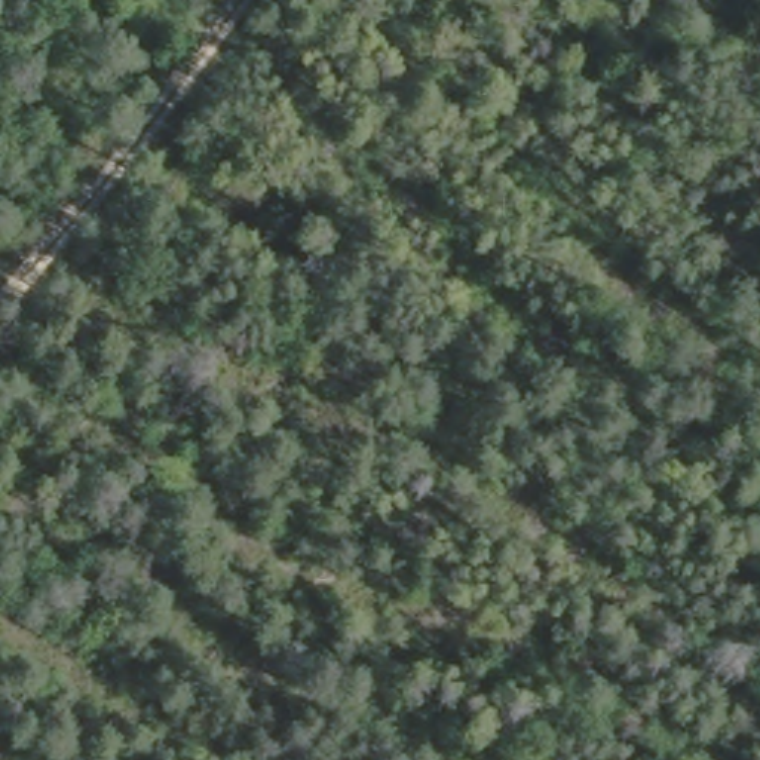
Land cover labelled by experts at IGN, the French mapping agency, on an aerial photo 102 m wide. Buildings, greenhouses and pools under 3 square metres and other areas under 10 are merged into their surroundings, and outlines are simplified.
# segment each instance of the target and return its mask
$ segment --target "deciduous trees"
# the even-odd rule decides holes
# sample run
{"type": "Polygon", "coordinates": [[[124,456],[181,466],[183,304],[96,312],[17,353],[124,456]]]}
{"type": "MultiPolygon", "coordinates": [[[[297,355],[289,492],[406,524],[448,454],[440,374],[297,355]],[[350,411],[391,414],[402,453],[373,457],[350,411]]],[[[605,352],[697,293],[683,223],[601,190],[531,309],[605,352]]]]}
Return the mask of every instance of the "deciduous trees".
{"type": "Polygon", "coordinates": [[[591,736],[585,742],[585,751],[591,760],[600,760],[629,757],[632,748],[615,742],[612,710],[591,707],[582,727],[591,736]]]}
{"type": "Polygon", "coordinates": [[[597,119],[597,83],[582,77],[585,50],[582,45],[573,45],[567,56],[558,62],[564,110],[552,119],[555,134],[567,134],[573,125],[591,125],[597,119]]]}
{"type": "Polygon", "coordinates": [[[157,65],[166,68],[178,62],[184,53],[196,56],[202,50],[199,33],[181,27],[172,30],[166,21],[154,21],[148,12],[163,6],[163,0],[116,0],[116,12],[125,18],[122,30],[128,36],[137,36],[145,53],[160,50],[157,65]]]}
{"type": "Polygon", "coordinates": [[[445,77],[451,77],[451,83],[460,83],[463,74],[457,68],[475,65],[475,53],[481,53],[484,45],[505,48],[502,24],[493,15],[493,9],[481,0],[433,0],[436,27],[457,21],[460,33],[475,36],[472,48],[454,45],[451,56],[433,59],[428,83],[436,86],[442,86],[445,77]]]}
{"type": "Polygon", "coordinates": [[[686,425],[671,419],[674,401],[692,401],[695,380],[715,383],[718,377],[707,365],[692,365],[683,374],[674,371],[674,353],[695,327],[680,312],[671,312],[665,321],[650,318],[647,303],[626,282],[620,282],[612,294],[603,294],[597,288],[594,294],[585,294],[582,300],[564,309],[564,315],[570,321],[570,335],[576,341],[591,341],[591,356],[603,359],[606,374],[623,389],[623,401],[635,419],[635,428],[623,439],[623,460],[635,463],[650,448],[656,428],[665,430],[665,436],[671,439],[686,425]]]}
{"type": "Polygon", "coordinates": [[[193,208],[181,205],[181,226],[175,229],[175,235],[163,243],[154,243],[151,255],[145,261],[137,261],[131,276],[119,282],[122,291],[128,291],[131,303],[148,306],[151,300],[166,300],[175,291],[175,264],[190,270],[190,264],[208,246],[211,229],[205,229],[193,208]]]}
{"type": "Polygon", "coordinates": [[[39,113],[30,125],[18,125],[15,110],[21,101],[18,89],[12,86],[12,68],[21,68],[24,62],[18,53],[6,53],[3,39],[9,33],[33,33],[36,18],[48,21],[53,33],[68,30],[74,18],[80,18],[80,9],[86,9],[92,0],[0,0],[0,187],[18,184],[45,157],[48,145],[62,140],[56,116],[50,110],[39,113]]]}
{"type": "Polygon", "coordinates": [[[523,748],[517,760],[552,760],[555,730],[546,721],[540,721],[534,724],[534,730],[540,739],[540,751],[531,754],[523,748]]]}
{"type": "Polygon", "coordinates": [[[6,445],[6,460],[15,460],[24,445],[39,457],[53,457],[59,454],[59,448],[53,442],[53,433],[36,422],[33,410],[24,401],[15,401],[12,410],[0,407],[0,442],[6,445]]]}
{"type": "Polygon", "coordinates": [[[205,330],[190,321],[175,338],[196,341],[202,350],[217,347],[229,356],[232,365],[246,365],[249,356],[261,359],[264,350],[273,350],[270,333],[276,330],[276,324],[288,324],[291,318],[288,276],[276,267],[270,279],[249,282],[246,306],[232,324],[226,324],[223,330],[205,330]]]}

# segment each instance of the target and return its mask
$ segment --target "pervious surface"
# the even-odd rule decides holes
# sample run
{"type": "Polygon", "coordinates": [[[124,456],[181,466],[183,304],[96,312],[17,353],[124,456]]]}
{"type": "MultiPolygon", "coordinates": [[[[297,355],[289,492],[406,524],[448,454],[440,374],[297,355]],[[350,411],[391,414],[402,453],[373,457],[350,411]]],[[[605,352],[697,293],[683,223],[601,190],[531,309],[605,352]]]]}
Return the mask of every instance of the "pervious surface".
{"type": "Polygon", "coordinates": [[[157,98],[145,107],[145,125],[140,137],[107,137],[101,143],[104,154],[110,157],[104,169],[80,169],[74,175],[74,190],[62,196],[65,211],[53,211],[50,220],[42,217],[45,232],[39,240],[12,246],[24,264],[9,276],[9,288],[27,294],[50,267],[50,258],[62,255],[68,238],[83,238],[83,220],[89,214],[98,214],[116,178],[140,181],[137,169],[154,151],[148,140],[163,128],[169,113],[175,110],[178,92],[187,92],[199,80],[202,68],[211,65],[217,48],[232,33],[232,21],[217,15],[202,21],[199,33],[202,50],[196,56],[187,74],[175,74],[157,86],[157,98]]]}

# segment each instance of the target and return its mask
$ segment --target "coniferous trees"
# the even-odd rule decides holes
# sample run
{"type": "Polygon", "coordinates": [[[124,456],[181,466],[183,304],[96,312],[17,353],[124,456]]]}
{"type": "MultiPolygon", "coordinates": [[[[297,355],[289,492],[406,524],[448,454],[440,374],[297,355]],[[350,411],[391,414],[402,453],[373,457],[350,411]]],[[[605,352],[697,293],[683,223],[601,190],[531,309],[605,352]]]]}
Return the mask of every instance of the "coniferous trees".
{"type": "Polygon", "coordinates": [[[160,50],[145,53],[137,36],[128,36],[122,30],[125,18],[116,12],[116,0],[92,0],[86,9],[80,9],[80,18],[74,18],[68,30],[53,33],[48,21],[36,18],[33,33],[9,33],[3,39],[6,53],[18,53],[24,62],[21,68],[12,68],[12,86],[18,89],[21,101],[15,110],[18,125],[30,125],[39,113],[50,110],[56,116],[62,140],[48,145],[45,157],[18,184],[0,187],[0,407],[12,410],[15,401],[24,401],[33,410],[36,422],[53,433],[53,442],[59,448],[59,454],[53,457],[39,457],[24,445],[15,460],[6,460],[6,445],[0,442],[0,760],[517,760],[523,748],[531,754],[540,751],[540,739],[534,730],[534,724],[540,721],[546,721],[555,730],[552,760],[591,760],[585,751],[585,742],[591,736],[582,727],[591,707],[612,710],[615,742],[632,748],[629,757],[600,760],[760,760],[760,0],[481,0],[493,9],[493,15],[502,24],[505,48],[484,45],[481,53],[475,53],[475,65],[457,68],[463,74],[460,83],[451,83],[451,77],[445,77],[442,86],[436,86],[428,83],[433,59],[451,56],[454,45],[472,48],[475,36],[460,33],[457,21],[436,27],[433,0],[163,0],[163,6],[148,12],[154,21],[166,21],[172,30],[181,27],[199,33],[202,21],[217,15],[232,21],[232,33],[217,48],[211,65],[202,68],[199,80],[187,92],[178,92],[175,110],[169,113],[163,128],[148,140],[154,151],[137,169],[140,181],[116,178],[98,214],[89,214],[83,220],[83,238],[68,238],[62,255],[50,258],[50,267],[27,294],[9,288],[9,276],[24,264],[12,246],[39,240],[45,232],[42,217],[50,220],[53,211],[65,211],[62,196],[74,190],[74,175],[80,169],[104,169],[110,157],[104,154],[101,143],[107,137],[140,137],[145,125],[145,107],[157,98],[157,86],[175,74],[187,74],[196,56],[184,53],[178,62],[166,68],[157,65],[160,50]],[[573,125],[567,134],[555,134],[552,119],[564,110],[558,62],[567,56],[573,45],[582,45],[585,50],[582,77],[597,83],[597,119],[591,125],[573,125]],[[166,300],[151,300],[148,306],[131,303],[128,291],[122,291],[119,282],[131,276],[137,261],[145,261],[151,255],[154,243],[163,243],[175,235],[175,229],[181,226],[181,205],[193,208],[205,229],[211,229],[208,246],[190,264],[190,270],[175,264],[175,291],[166,300]],[[288,276],[291,318],[288,324],[276,324],[276,330],[270,333],[273,350],[264,350],[261,359],[249,356],[246,365],[232,365],[229,356],[217,347],[202,350],[196,341],[175,338],[190,321],[205,330],[223,330],[226,324],[232,324],[246,306],[249,282],[270,279],[276,267],[288,276]],[[650,318],[665,321],[671,312],[680,312],[695,327],[674,353],[674,371],[683,374],[692,365],[707,365],[718,377],[715,383],[695,380],[692,401],[674,401],[671,419],[686,425],[671,439],[665,436],[665,430],[656,428],[650,448],[635,463],[623,460],[623,439],[635,428],[635,419],[623,401],[623,389],[606,374],[603,359],[591,356],[591,341],[576,341],[570,335],[570,321],[564,315],[564,309],[582,300],[585,294],[594,294],[597,288],[603,294],[612,294],[620,282],[626,282],[647,303],[650,318]]]}

